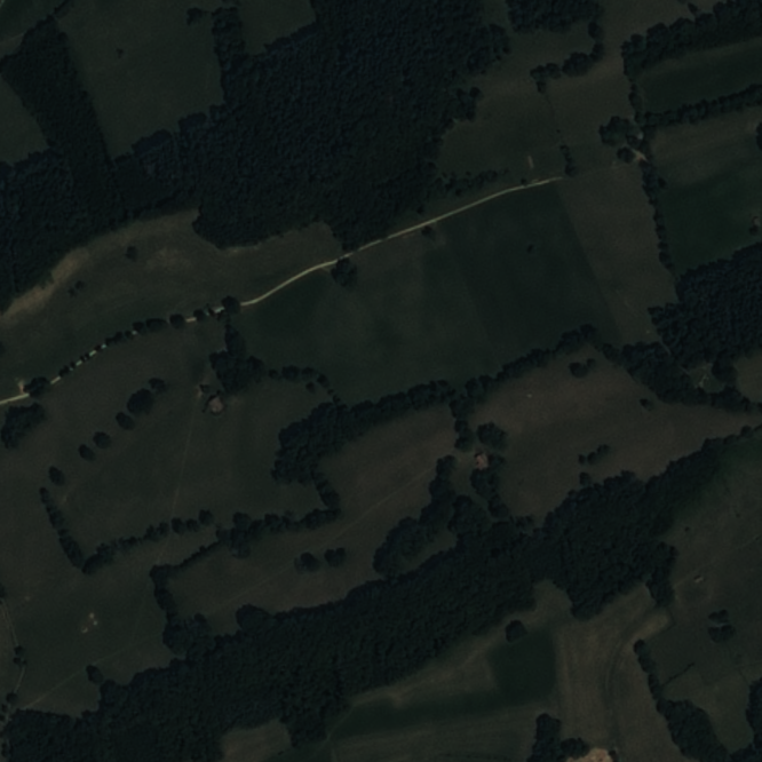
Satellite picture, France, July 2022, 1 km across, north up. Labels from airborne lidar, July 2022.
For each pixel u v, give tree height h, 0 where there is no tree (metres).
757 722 29
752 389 0
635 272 0
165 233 0
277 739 0
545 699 0
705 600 0
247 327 0
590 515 23
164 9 0
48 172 20
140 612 0
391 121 26
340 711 19
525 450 0
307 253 0
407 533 24
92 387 0
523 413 0
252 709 20
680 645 0
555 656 0
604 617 0
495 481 20
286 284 0
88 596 0
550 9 6
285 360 0
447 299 0
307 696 27
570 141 0
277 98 23
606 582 28
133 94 0
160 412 0
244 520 17
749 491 0
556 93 0
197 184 23
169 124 0
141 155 25
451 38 17
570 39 0
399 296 0
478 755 0
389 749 0
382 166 25
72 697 0
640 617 0
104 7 0
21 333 0
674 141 0
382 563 21
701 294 27
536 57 0
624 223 0
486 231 0
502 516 21
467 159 0
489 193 0
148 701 22
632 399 0
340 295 0
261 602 0
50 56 8
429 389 15
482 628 26
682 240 0
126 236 0
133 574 0
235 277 0
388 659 21
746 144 0
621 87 0
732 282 23
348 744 0
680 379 25
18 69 8
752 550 0
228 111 17
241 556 23
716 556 0
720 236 0
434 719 0
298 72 22
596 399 0
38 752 13
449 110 24
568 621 0
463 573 26
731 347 21
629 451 0
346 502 0
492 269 0
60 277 0
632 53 14
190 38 0
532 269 0
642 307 0
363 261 0
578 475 0
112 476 0
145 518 0
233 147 21
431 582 27
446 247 0
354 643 19
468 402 14
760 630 0
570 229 0
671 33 22
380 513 0
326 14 8
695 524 0
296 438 26
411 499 0
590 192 0
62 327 0
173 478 0
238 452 0
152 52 0
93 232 14
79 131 8
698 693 0
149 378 0
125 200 11
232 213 18
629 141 12
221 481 0
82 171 10
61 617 0
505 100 0
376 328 0
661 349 18
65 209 22
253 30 0
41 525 0
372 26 19
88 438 0
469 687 0
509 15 0
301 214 30
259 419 0
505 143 0
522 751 0
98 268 0
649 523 22
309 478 19
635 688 0
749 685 0
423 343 0
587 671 0
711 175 0
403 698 0
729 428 0
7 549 0
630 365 13
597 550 29
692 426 0
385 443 0
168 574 17
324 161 27
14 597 0
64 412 0
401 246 0
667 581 17
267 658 22
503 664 0
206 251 0
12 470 0
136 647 0
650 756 0
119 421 12
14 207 23
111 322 0
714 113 19
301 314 0
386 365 0
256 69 21
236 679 13
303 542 0
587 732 0
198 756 20
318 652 17
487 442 21
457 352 0
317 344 0
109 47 0
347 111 26
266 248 0
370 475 0
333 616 23
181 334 0
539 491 0
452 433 0
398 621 18
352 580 0
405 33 28
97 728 24
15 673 0
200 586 0
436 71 26
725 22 17
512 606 26
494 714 0
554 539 20
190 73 0
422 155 25
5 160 0
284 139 28
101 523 0
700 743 28
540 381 0
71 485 0
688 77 0
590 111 0
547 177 0
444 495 25
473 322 0
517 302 0
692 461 17
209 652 9
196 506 0
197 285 0
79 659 0
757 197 0
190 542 0
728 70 0
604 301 0
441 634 27
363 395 0
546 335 0
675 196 0
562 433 0
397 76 30
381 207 24
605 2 0
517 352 0
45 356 0
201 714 32
